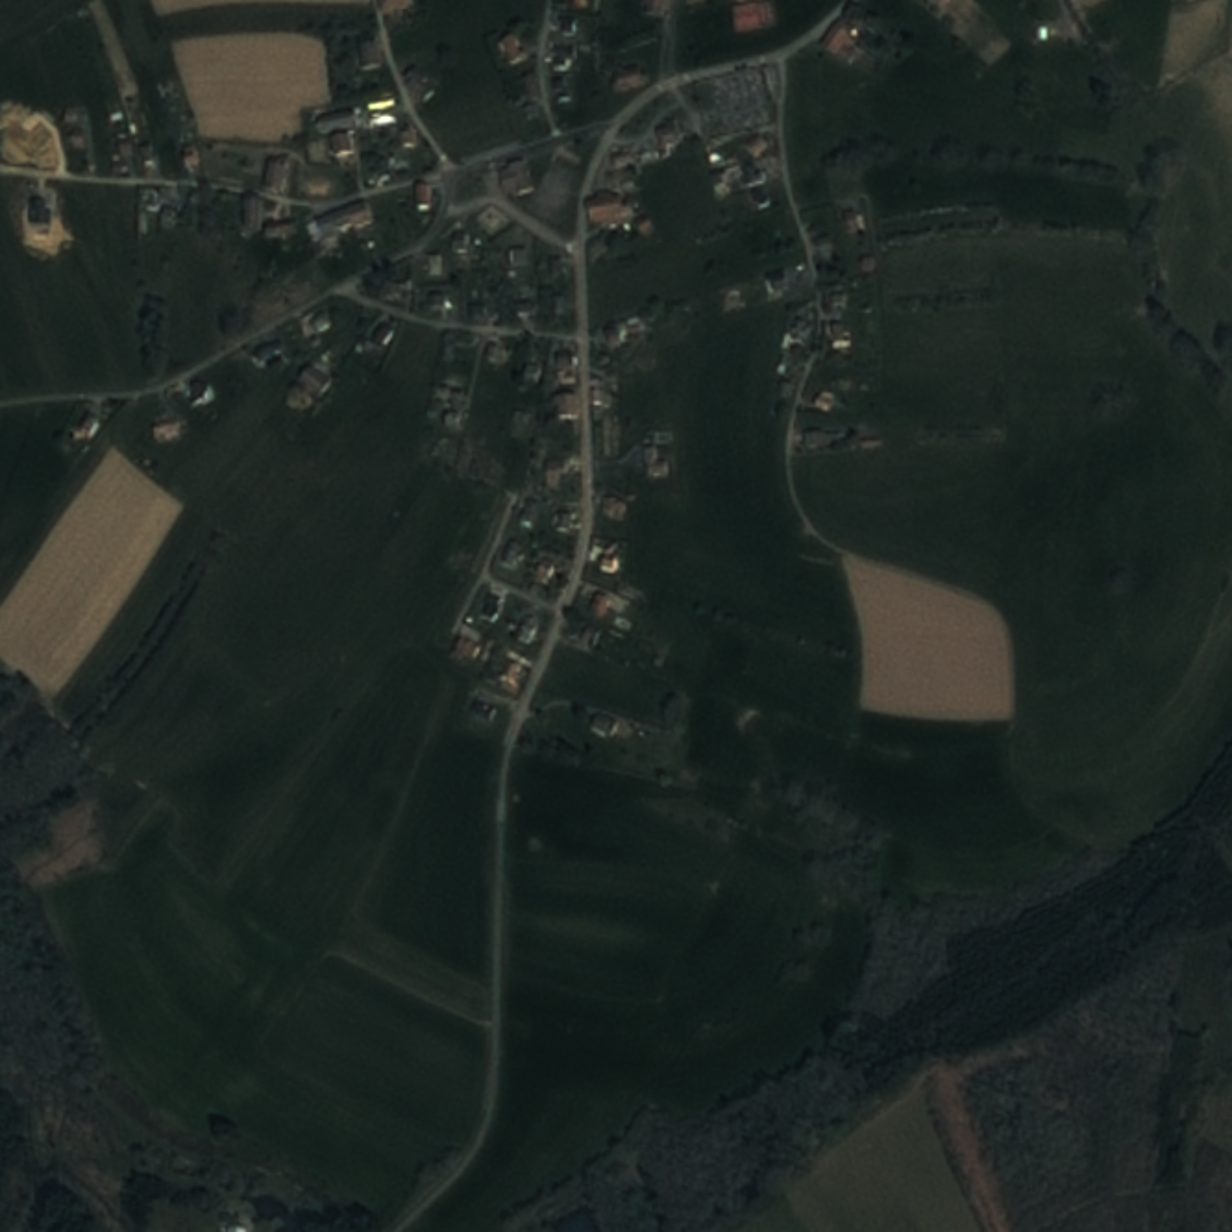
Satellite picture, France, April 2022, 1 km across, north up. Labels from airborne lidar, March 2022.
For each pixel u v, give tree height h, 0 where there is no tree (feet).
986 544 0
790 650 0
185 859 0
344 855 0
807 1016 0
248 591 0
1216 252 0
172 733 0
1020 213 0
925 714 0
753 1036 0
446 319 0
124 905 0
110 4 0
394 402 0
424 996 0
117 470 0
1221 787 42
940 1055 56
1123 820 0
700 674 0
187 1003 0
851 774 0
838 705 0
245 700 0
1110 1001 38
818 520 0
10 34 0
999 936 37
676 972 0
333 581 0
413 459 0
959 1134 0
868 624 0
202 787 0
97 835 0
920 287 0
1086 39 19
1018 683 0
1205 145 0
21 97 0
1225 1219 0
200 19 0
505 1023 0
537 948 0
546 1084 0
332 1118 0
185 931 0
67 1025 87
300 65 0
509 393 0
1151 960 40
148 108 0
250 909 0
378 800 0
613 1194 68
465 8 0
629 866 0
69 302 0
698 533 0
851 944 0
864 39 22
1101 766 0
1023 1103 54
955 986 37
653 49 0
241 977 0
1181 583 0
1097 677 0
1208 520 0
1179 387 0
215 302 0
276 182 0
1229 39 0
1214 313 0
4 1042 53
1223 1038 0
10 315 0
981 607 0
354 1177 0
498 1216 0
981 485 0
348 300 0
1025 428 0
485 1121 0
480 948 0
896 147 38
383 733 0
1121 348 0
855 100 0
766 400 0
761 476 0
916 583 0
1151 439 0
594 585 0
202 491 0
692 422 0
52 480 0
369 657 0
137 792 0
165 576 0
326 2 0
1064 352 0
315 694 0
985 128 0
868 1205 0
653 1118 33
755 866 0
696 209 0
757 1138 80
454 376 0
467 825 0
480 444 0
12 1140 113
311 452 0
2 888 80
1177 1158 31
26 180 0
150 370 48
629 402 0
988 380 0
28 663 0
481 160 0
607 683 0
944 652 0
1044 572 0
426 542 0
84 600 0
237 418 0
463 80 0
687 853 0
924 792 0
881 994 49
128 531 0
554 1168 0
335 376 20
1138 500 0
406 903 0
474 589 0
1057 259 0
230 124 0
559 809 0
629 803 0
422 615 0
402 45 0
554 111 0
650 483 0
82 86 0
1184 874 41
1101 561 0
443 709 0
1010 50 0
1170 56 0
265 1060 0
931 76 0
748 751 0
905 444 0
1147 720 0
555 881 0
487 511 0
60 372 0
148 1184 44
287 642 0
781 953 0
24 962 50
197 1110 0
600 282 0
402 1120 0
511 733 0
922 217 0
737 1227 18
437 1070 0
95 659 0
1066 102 0
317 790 0
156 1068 0
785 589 0
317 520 0
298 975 0
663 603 0
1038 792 0
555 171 0
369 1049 0
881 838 44
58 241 0
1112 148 0
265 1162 0
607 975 0
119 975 0
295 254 0
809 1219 0
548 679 0
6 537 0
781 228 0
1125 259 0
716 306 0
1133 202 0
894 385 0
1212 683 0
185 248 0
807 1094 65
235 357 0
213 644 0
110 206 0
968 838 0
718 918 0
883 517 0
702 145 33
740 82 0
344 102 23
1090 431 0
